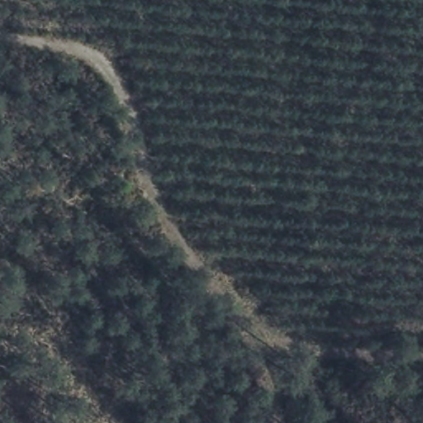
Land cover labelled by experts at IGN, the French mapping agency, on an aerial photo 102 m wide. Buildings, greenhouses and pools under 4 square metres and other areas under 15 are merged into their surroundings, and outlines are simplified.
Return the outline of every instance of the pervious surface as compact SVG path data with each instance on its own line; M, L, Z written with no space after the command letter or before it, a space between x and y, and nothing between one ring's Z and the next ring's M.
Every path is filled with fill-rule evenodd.
M121 78L116 69L112 68L111 61L102 55L101 51L94 50L88 45L48 36L20 35L8 33L2 28L0 28L0 43L5 45L8 41L18 41L21 45L56 51L81 59L89 66L93 66L97 73L101 73L102 78L109 84L119 104L127 101L129 94L122 88Z
M164 235L169 238L172 245L182 248L187 258L185 264L197 269L203 263L202 253L188 246L177 226L169 220L169 213L164 210L157 216L157 221Z
M159 190L155 185L150 177L149 173L140 173L137 169L134 173L139 187L142 190L142 197L150 205L157 205L155 200Z

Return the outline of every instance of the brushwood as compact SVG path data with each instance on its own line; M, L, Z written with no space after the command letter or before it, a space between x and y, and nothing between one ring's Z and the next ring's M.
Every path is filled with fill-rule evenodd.
M131 382L134 373L140 377L147 377L152 367L150 362L142 362L142 355L137 350L127 350L119 335L109 334L109 329L114 326L116 312L126 316L127 312L131 312L135 307L142 306L139 294L117 296L119 278L137 278L142 284L149 284L150 279L157 279L159 286L155 291L154 309L159 312L162 322L157 326L157 340L160 354L169 368L170 378L178 385L183 382L187 373L195 372L195 368L193 360L175 362L172 359L172 339L167 335L167 329L175 319L170 316L170 307L175 302L182 306L188 294L195 288L195 279L202 274L208 276L213 269L210 264L203 263L197 269L185 264L172 266L164 254L145 254L145 248L149 246L150 240L160 241L164 235L157 221L144 230L140 230L135 223L132 226L124 226L122 216L129 215L129 210L122 205L109 208L104 205L104 197L111 197L121 188L117 185L116 177L121 178L124 185L129 183L132 188L139 187L134 173L124 167L116 167L114 172L102 173L101 185L89 185L91 172L104 160L111 159L112 152L117 149L119 140L122 139L122 132L119 131L119 126L112 116L93 114L89 111L97 91L102 91L109 84L102 78L101 73L97 73L93 66L89 66L81 59L78 61L81 76L76 81L79 104L74 106L74 109L84 116L83 121L88 124L91 131L96 134L99 129L104 131L104 134L94 137L93 144L96 145L96 149L86 155L84 160L78 159L78 154L71 144L64 145L66 152L63 155L59 155L58 150L53 147L53 142L63 139L64 129L53 134L45 134L46 119L43 111L48 106L45 101L41 101L38 93L31 91L30 104L18 106L20 89L15 89L15 81L10 74L0 76L0 132L3 131L3 127L10 124L13 134L12 154L0 160L0 231L5 233L3 245L17 251L20 233L36 231L38 245L30 258L36 264L36 268L46 271L51 279L68 274L69 271L81 271L89 279L89 294L101 306L102 316L102 326L97 329L96 335L99 347L91 354L89 359L93 360L96 372L104 373L106 387L112 393L117 393L122 383L126 380ZM46 175L58 173L59 182L66 185L64 192L68 197L73 197L76 188L81 190L81 193L88 193L89 200L83 202L88 223L97 221L102 231L111 230L117 235L117 248L124 251L124 258L114 266L104 266L97 264L96 261L84 263L83 259L76 256L74 241L55 240L53 228L59 223L59 216L55 211L45 213L43 208L36 208L35 216L31 220L26 220L23 210L10 202L8 197L10 180L23 177L23 172L33 165L33 160L38 159L38 152L46 150L50 152L51 159L43 164L43 169L46 170Z
M220 342L226 335L230 335L231 330L238 327L238 319L241 316L236 314L226 317L225 324L221 327L210 327L208 309L202 314L195 314L192 321L197 326L197 335L193 340L202 345L207 342L208 335L215 335L215 339Z
M393 398L392 395L388 395L382 410L377 410L372 406L372 402L365 398L377 378L370 364L360 357L337 357L337 364L334 367L322 367L319 362L312 368L311 380L316 385L322 408L335 415L334 418L327 420L327 423L423 423L423 360L416 357L411 364L411 368L418 373L420 392L405 398Z
M3 306L2 294L12 288L12 273L17 266L8 259L0 259L0 304Z
M235 382L240 378L236 377L230 365L225 364L223 387L216 387L215 382L205 382L198 393L197 402L193 403L185 415L178 418L178 423L221 423L220 415L216 413L216 403L220 402L221 397L235 400L236 411L235 415L231 416L231 423L245 423L248 406L253 398L256 398L258 378L261 377L263 370L259 367L243 367L250 383L243 392L238 392Z
M33 10L33 2L38 2L41 7L51 10L55 8L55 2L53 0L0 0L0 8L10 8L12 12L17 13L21 7Z
M283 349L266 344L261 347L261 352L264 365L269 368L276 367L283 359L288 360L288 352Z
M311 137L274 135L268 132L246 134L220 127L200 129L185 126L187 119L208 121L208 111L200 109L200 102L240 101L246 106L276 107L279 99L246 94L197 93L188 89L150 89L150 99L167 97L192 101L192 109L170 109L162 106L150 109L157 134L200 134L205 137L238 139L245 142L317 145L319 149L327 150L349 149L380 154L392 152L423 157L423 147L324 140L321 139L321 132L385 134L398 135L405 139L423 139L423 111L393 107L377 109L330 102L306 104L289 99L284 101L286 106L299 112L321 111L378 119L410 119L416 122L415 131L377 124L362 126L354 122L324 122L317 121L314 117L291 119L279 116L253 116L240 111L218 111L216 119L221 121L238 119L243 124L311 127Z
M251 78L240 74L221 76L182 73L167 69L159 71L157 68L139 69L131 79L137 84L139 79L178 83L193 81L200 84L248 84L269 86L281 93L316 94L324 91L335 96L370 96L375 99L387 97L403 101L411 101L413 97L410 91L397 91L398 83L411 81L413 84L423 84L423 74L375 71L373 64L416 63L423 66L423 56L337 50L327 46L299 45L297 41L299 36L312 35L337 40L423 48L423 36L415 38L337 28L327 30L312 26L292 28L279 23L266 25L258 21L259 13L350 23L368 21L372 25L390 26L416 26L415 18L365 13L355 15L340 13L337 10L319 12L316 8L254 5L241 3L240 0L192 0L190 7L190 17L135 12L135 20L157 25L170 23L216 26L228 30L258 30L263 31L263 40L246 40L240 36L223 38L178 35L172 31L155 33L119 30L116 38L112 40L112 45L124 45L124 40L139 40L283 51L283 61L269 63L253 58L185 55L139 48L127 50L132 58L157 58L172 63L178 61L187 64L210 64L223 68L246 66L250 69L266 69L273 73L299 71L317 74L316 83L306 83L278 81L268 76ZM292 55L364 61L365 68L337 69L292 63Z
M43 64L45 68L51 69L53 76L48 83L48 91L59 96L66 93L66 81L63 83L59 79L56 51L21 45L18 41L8 41L5 45L5 58L13 66L25 68L26 74L31 73L36 64Z
M405 10L405 2L380 0L340 0L345 5L395 10Z
M276 393L273 398L273 423L306 423L304 411L301 411L302 397L289 397L284 390Z
M157 415L157 418L162 418L165 413L172 410L169 390L157 385L140 387L142 392L149 392L149 400L135 400L127 410L131 423L144 423L145 416Z

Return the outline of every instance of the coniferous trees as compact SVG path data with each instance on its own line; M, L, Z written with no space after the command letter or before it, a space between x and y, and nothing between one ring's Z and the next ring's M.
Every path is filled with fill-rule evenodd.
M317 314L327 317L326 309L317 307L321 302L330 302L334 299L352 301L350 291L279 291L279 299L291 297L289 304L281 306L281 312L284 314L296 312L306 316Z
M367 211L368 216L416 216L416 211L411 208L377 207Z
M364 61L292 55L292 63L337 69L365 68Z
M129 183L124 185L121 178L116 177L117 185L121 188L111 197L104 197L104 205L109 208L122 205L129 210L129 215L122 216L124 226L132 226L135 223L140 230L144 230L157 221L157 216L164 210L157 205L150 205L142 197L142 190L139 187L132 188Z
M240 74L251 78L268 76L278 81L306 83L316 83L317 74L299 71L273 73L266 69L250 69L246 66L223 68L210 64L187 64L178 61L172 63L157 58L132 58L135 68L139 69L157 68L159 71L167 69L182 73L221 76Z
M322 408L316 385L311 380L312 368L319 362L321 354L317 350L311 350L309 342L291 344L283 349L288 352L288 360L283 359L276 367L269 368L264 365L261 352L256 354L256 350L241 340L243 330L238 327L231 330L230 335L226 335L220 342L215 339L215 335L208 335L207 342L202 345L193 340L197 335L197 326L192 321L195 314L202 314L208 309L210 327L221 327L225 324L226 317L236 314L230 294L207 292L210 283L208 276L202 274L195 279L195 288L188 294L182 306L175 302L170 307L170 316L175 319L167 329L167 335L172 339L172 359L175 362L193 360L195 368L195 372L187 373L183 382L178 385L170 378L169 368L160 354L157 340L157 326L162 322L159 312L154 309L155 291L159 286L157 279L150 279L149 284L142 284L137 278L119 278L117 296L139 294L142 306L135 307L131 312L127 312L126 316L116 312L114 326L109 329L109 334L119 335L127 350L137 350L142 355L142 362L150 362L152 367L147 377L140 377L134 373L131 382L126 380L122 383L117 393L135 400L149 400L149 392L142 392L140 387L157 385L169 390L172 410L165 413L162 418L157 418L157 415L145 416L144 423L178 423L178 418L185 415L193 403L197 402L198 393L205 382L215 382L216 387L223 387L225 364L230 365L236 377L240 378L235 382L238 392L243 392L250 383L243 367L259 367L263 370L261 377L258 378L256 398L253 398L248 406L245 423L273 423L273 398L276 393L284 390L289 397L302 397L301 411L304 411L306 423L327 423L327 420L334 418L335 415Z
M18 335L12 335L8 340L8 344L12 345L20 345L23 342L21 354L12 354L12 364L8 365L10 373L15 378L31 378L33 382L40 383L41 387L48 388L50 392L58 392L58 388L64 385L64 380L71 375L69 367L59 354L50 359L46 345L33 344L26 339L26 332L30 326L25 324L18 326Z
M167 97L150 99L150 109L162 106L170 109L192 109L192 101Z
M93 322L88 327L88 334L84 340L84 350L91 354L99 347L96 335L97 329L102 326L102 316L101 306L89 294L89 279L81 271L69 271L68 274L51 279L51 291L63 294L64 302L84 302L91 309Z
M185 210L178 213L180 220L207 223L226 221L228 218L223 213L213 211Z
M321 139L324 140L423 147L423 139L405 139L398 135L385 134L321 132Z
M99 7L99 0L53 0L55 2L79 8Z
M63 139L53 142L53 147L58 150L59 155L63 155L66 152L64 145L71 144L78 154L78 159L84 160L86 155L96 149L96 145L93 144L94 137L104 134L104 131L99 129L96 134L91 131L88 124L83 121L84 116L74 109L74 106L79 104L76 81L81 76L78 61L81 59L56 51L59 79L63 83L66 81L66 93L59 96L48 91L48 83L53 76L51 69L45 68L43 64L36 64L31 73L26 74L25 68L13 66L5 58L5 45L0 43L0 76L10 74L15 81L15 89L20 89L18 106L30 104L31 91L38 93L41 101L45 101L48 106L43 111L46 119L45 134L53 134L64 129Z
M373 306L388 304L423 307L423 299L360 296L359 301L360 304Z
M329 326L319 322L286 324L284 327L291 332L314 330L334 334L372 334L370 327L359 329L349 324Z
M185 55L253 58L269 63L283 61L283 51L139 40L124 40L124 45L127 50L139 48Z
M20 233L17 251L18 254L30 258L38 245L36 231Z
M388 263L380 259L340 256L304 256L301 253L284 254L281 251L250 248L210 248L202 253L203 263L210 264L213 269L220 271L221 258L245 258L253 261L264 259L304 266L314 264L321 268L375 268L375 279L362 284L362 288L367 289L382 286L418 289L423 283L423 264L400 261Z
M195 231L193 238L197 240L216 240L225 236L230 240L274 243L276 238L271 235L235 233L233 230L238 225L311 230L317 226L317 221L314 220L279 220L264 216L233 215L228 230L223 228Z
M172 266L185 264L187 258L182 248L172 245L169 238L164 235L160 241L150 240L149 246L145 248L145 254L164 254Z
M190 172L190 164L197 162L198 157L193 154L157 154L157 160L170 160L182 165L182 169L154 173L150 177L155 185L157 182L169 183L185 178L240 187L245 178L226 177L223 173L210 175Z
M339 198L334 203L316 198L286 200L283 207L296 210L316 208L317 211L344 210L355 213L357 205L354 202L357 197L406 200L406 193L398 190L377 190L372 187L332 187L322 182L278 180L278 172L301 175L316 173L339 178L352 175L373 178L377 182L398 180L402 183L423 183L423 177L405 175L402 172L322 169L250 160L241 162L243 170L268 172L269 180L258 180L258 187L339 193Z
M83 202L68 205L59 200L59 195L53 190L58 187L59 182L58 173L46 175L46 170L43 169L43 164L51 159L50 152L46 150L38 152L38 159L33 160L33 165L23 172L23 177L10 180L8 197L10 202L23 210L26 220L31 220L35 216L36 208L43 208L45 213L55 211L59 216L59 223L53 228L55 240L74 241L76 256L83 259L84 263L96 261L97 264L104 266L114 266L124 258L124 251L117 248L117 235L111 230L102 231L97 221L88 223Z
M5 330L10 314L20 311L23 302L25 276L17 266L12 273L12 288L2 294L3 306L0 304L0 334Z
M423 36L423 0L380 0L405 2L405 10L395 10L345 5L340 0L240 0L241 3L254 5L316 8L319 12L337 10L340 13L355 15L365 13L415 18L416 26L390 26L372 25L368 21L350 23L259 13L258 21L266 25L279 23L292 28L312 26L327 30L337 28L415 38Z
M388 236L387 245L370 241L357 243L329 240L324 236L283 238L284 245L289 246L423 254L423 228L368 226L355 221L332 223L332 231L345 230Z
M337 40L312 35L299 36L297 41L299 45L327 46L337 50L423 56L423 48Z
M215 192L207 190L185 188L175 192L177 200L211 202L215 195Z
M378 360L375 364L370 364L377 378L365 398L372 402L372 406L377 410L382 410L388 395L392 395L393 398L405 398L420 392L418 373L411 368L411 364L416 357L423 360L423 332L400 330L402 357L398 357L393 364L390 360Z
M216 403L216 413L220 415L221 423L231 423L231 416L235 415L236 411L235 400L221 397L220 402Z
M122 20L117 17L69 18L61 15L53 15L50 18L40 17L33 10L21 7L17 13L12 12L10 8L0 8L0 28L2 28L5 18L18 20L25 17L26 20L56 21L59 28L55 30L20 25L20 35L48 36L88 45L91 36L96 36L101 28L119 30L155 33L172 31L178 35L223 38L240 36L246 40L263 40L263 31L258 30L228 30L216 26L170 23L157 25L135 20Z
M273 197L264 195L236 197L228 193L221 197L220 203L273 203Z
M375 71L423 74L423 66L416 63L373 64Z
M279 154L314 154L326 159L345 157L423 167L423 157L392 152L380 154L349 149L327 150L319 149L317 145L245 142L238 139L205 137L200 134L157 134L157 144L202 144L208 147L220 145L231 149L264 150Z
M248 84L200 84L193 81L178 83L139 79L137 84L137 88L150 89L188 89L197 93L246 94L279 99L276 107L246 106L240 101L200 102L200 109L208 111L208 121L187 119L185 126L200 129L220 127L246 134L268 132L274 135L311 137L311 127L243 124L238 119L221 121L216 119L218 111L240 111L253 116L279 116L291 119L314 117L317 121L324 122L354 122L362 126L377 124L415 131L416 122L410 119L378 119L321 111L299 112L286 106L284 101L289 99L306 104L330 102L377 109L393 107L423 111L423 84L413 84L411 81L398 83L397 91L410 91L413 97L411 101L403 101L387 97L375 99L370 96L335 96L324 91L316 94L281 93L269 86Z
M124 167L134 173L137 169L135 154L142 147L144 137L139 131L135 131L134 127L129 126L127 119L131 117L132 109L127 106L127 101L119 104L109 84L102 91L97 91L89 111L93 114L112 116L119 126L119 131L122 132L122 139L119 140L117 149L112 152L111 159L104 160L91 172L89 185L101 185L102 173L114 172L116 167Z
M13 134L10 124L3 127L3 131L0 132L0 160L12 154Z
M190 7L164 7L139 0L129 0L111 2L111 7L135 12L190 17Z
M236 279L261 278L283 283L311 283L316 281L316 276L256 269L235 271L230 276L233 283Z
M205 164L207 167L235 169L235 162L231 159L208 157Z

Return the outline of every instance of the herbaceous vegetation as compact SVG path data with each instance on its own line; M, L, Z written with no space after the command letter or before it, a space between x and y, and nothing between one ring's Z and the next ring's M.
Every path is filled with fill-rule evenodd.
M33 2L33 10L40 17L50 18L53 15L61 15L69 18L117 17L122 20L135 20L135 12L111 7L111 2L129 0L99 0L99 7L79 8L55 2L55 8L51 10L41 7L38 2Z
M289 246L284 245L283 238L324 236L329 240L357 243L370 241L387 245L388 236L345 230L332 231L332 223L355 221L368 226L423 228L423 183L402 183L398 180L377 182L373 178L352 175L339 178L316 173L301 175L278 172L278 180L322 182L332 187L372 187L377 190L398 190L406 193L406 200L357 197L354 202L357 205L355 213L344 210L317 211L316 208L296 210L283 207L286 200L316 198L334 203L339 198L339 193L258 187L258 180L269 180L268 172L243 170L241 162L250 160L322 169L402 172L405 175L423 177L423 167L345 157L326 159L314 154L279 154L264 150L231 149L220 145L208 147L202 144L157 144L157 134L150 109L150 99L150 89L137 88L137 84L131 79L139 69L135 68L132 58L127 50L124 45L112 45L112 40L116 38L119 30L101 28L96 36L91 36L88 45L94 50L101 51L102 55L111 61L112 68L116 69L121 78L122 88L129 94L127 101L127 106L132 109L131 117L127 119L129 126L134 127L135 131L139 131L144 137L142 147L135 154L137 169L140 173L149 173L150 177L154 173L182 169L182 165L170 160L157 160L157 154L193 154L198 157L197 162L190 164L190 172L210 175L223 173L226 177L245 178L240 187L185 178L169 183L157 182L155 185L159 190L155 200L157 205L164 210L169 213L169 220L177 226L188 246L202 253L210 248L250 248L281 251L284 254L301 253L304 256L340 256L380 259L388 263L400 261L423 264L423 254ZM235 169L207 167L205 164L208 157L231 159L235 162ZM185 188L207 190L215 192L215 195L211 202L177 200L175 192ZM273 203L220 203L221 197L228 193L236 197L264 195L273 197ZM416 216L368 216L367 211L377 207L411 208L416 211ZM180 220L178 213L185 210L213 211L223 213L228 218L226 221L207 223ZM274 243L230 240L225 236L216 240L197 240L193 238L195 231L223 228L228 230L233 215L264 216L279 220L314 220L317 221L317 226L311 230L238 225L233 230L235 233L271 235L276 238Z
M139 0L164 7L190 7L192 0Z
M8 259L17 266L25 276L23 302L20 311L10 314L5 330L0 334L0 423L131 423L127 410L135 400L117 393L112 393L106 387L104 373L96 372L93 360L89 359L91 354L84 350L84 340L88 334L88 327L93 322L91 309L84 302L64 302L63 294L51 291L51 279L46 271L36 268L36 264L30 258L18 254L17 251L3 245L5 233L0 231L0 259ZM20 345L12 345L8 344L8 340L12 335L18 335L18 326L25 324L30 326L26 332L26 339L33 344L46 345L50 359L59 354L69 367L71 375L64 380L64 385L58 388L58 392L50 392L48 388L41 387L40 383L33 382L31 378L15 378L10 373L8 365L12 364L12 354L21 354L23 342Z
M256 350L256 354L261 352L261 347L266 344L259 335L254 334L250 319L241 316L238 319L238 327L243 330L241 340Z
M26 20L25 17L18 20L5 18L2 28L8 33L20 35L20 25L55 30L59 28L56 21Z
M337 364L337 357L360 357L370 364L375 364L378 360L390 360L393 364L398 357L402 357L400 330L423 332L423 307L388 304L373 306L360 304L359 301L360 296L423 299L423 283L418 289L382 286L367 289L362 288L362 284L375 279L375 268L321 268L314 264L304 266L264 259L253 261L245 258L221 258L220 271L230 276L235 271L256 269L316 276L316 281L311 283L283 283L261 278L236 279L233 283L233 288L241 297L256 302L254 312L266 319L268 327L281 329L281 334L289 337L291 344L309 342L311 350L317 350L321 354L319 362L322 367L334 367ZM350 291L352 301L334 299L330 302L321 302L317 307L326 309L327 317L317 314L306 316L296 312L284 314L281 312L281 306L289 304L291 297L279 299L279 291ZM314 330L291 332L284 327L286 324L319 322L329 326L349 324L359 329L370 327L372 334L334 334Z
M59 195L59 200L68 205L83 202L89 200L88 193L81 193L81 190L76 188L73 197L68 197L64 192L66 185L59 182L58 187L53 190Z

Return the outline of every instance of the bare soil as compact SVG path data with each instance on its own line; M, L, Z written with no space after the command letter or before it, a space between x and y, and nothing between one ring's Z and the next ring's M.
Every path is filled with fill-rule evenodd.
M230 294L236 314L241 316L250 319L254 334L259 335L266 344L283 349L291 344L289 337L281 334L281 329L268 327L266 319L254 312L256 302L241 297L233 288L233 283L230 276L220 271L213 269L208 276L210 283L207 292Z

